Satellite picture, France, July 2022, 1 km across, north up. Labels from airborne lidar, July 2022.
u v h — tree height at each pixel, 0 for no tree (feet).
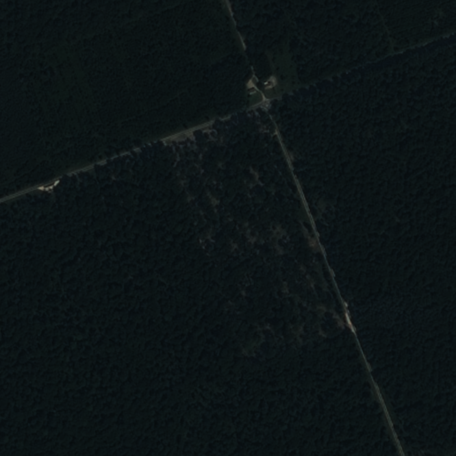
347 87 64
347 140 93
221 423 85
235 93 56
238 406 88
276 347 69
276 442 79
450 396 75
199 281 84
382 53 54
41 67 67
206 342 72
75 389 73
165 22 33
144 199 84
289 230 84
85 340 84
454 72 87
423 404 85
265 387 89
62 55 0
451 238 54
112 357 83
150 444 78
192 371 98
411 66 90
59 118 19
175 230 86
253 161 82
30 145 28
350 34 92
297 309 78
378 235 79
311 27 98
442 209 86
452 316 83
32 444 86
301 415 98
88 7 70
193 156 73
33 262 87
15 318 38
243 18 91
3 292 86
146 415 77
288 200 87
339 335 80
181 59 26
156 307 88
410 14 22
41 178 35
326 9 75
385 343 85
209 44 23
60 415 54
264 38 89
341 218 61
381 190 58
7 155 42
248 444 78
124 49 29
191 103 31
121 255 27
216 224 84
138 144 86
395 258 62
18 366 73
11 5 95
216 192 90
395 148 74
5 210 48
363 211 79
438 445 90
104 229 74
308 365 54
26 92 30
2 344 68
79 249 79
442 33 25
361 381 84
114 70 21
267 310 95
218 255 96
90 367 48
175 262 82
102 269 88
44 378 69
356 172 76
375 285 90
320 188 79
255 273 76
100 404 81
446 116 78
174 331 86
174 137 0
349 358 88
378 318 101
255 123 101
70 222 67
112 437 85
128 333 80
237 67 62
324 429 79
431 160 78
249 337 87
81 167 0
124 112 28
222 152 83
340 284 73
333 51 96
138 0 69
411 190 79
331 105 86
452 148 59
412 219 74
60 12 87
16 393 88
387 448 75
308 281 89
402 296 77
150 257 72
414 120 95
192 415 91
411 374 71
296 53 23
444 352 57
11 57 28
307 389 89
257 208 81
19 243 68
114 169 100
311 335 89
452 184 71
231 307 80
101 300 80
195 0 38
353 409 89
